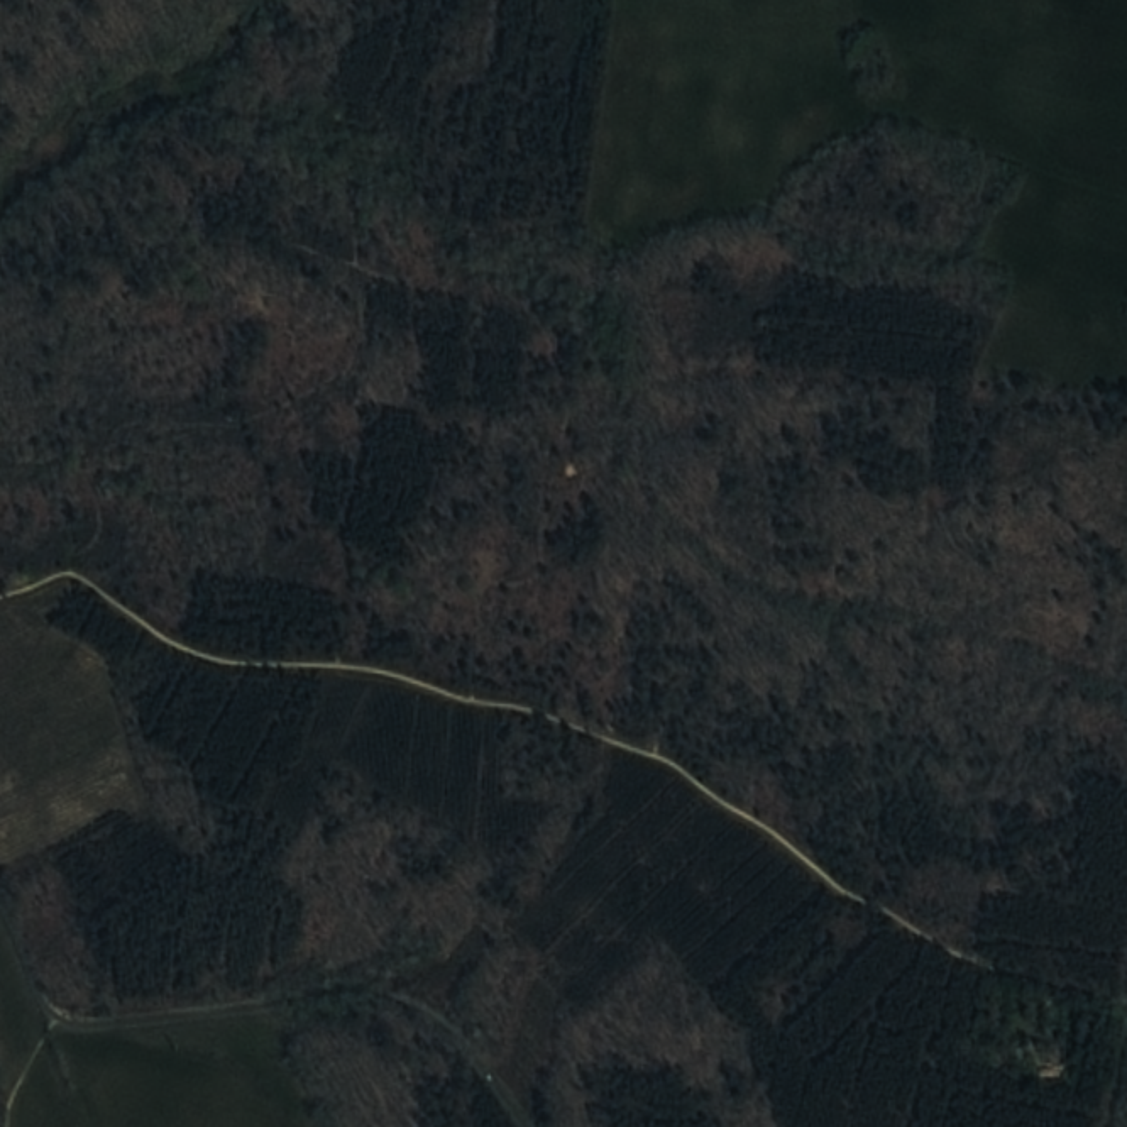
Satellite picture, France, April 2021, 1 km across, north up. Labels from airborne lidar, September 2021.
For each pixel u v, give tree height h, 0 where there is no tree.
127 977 13
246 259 12
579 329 16
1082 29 0
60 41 22
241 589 16
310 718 13
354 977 17
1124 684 11
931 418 12
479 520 24
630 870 7
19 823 0
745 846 6
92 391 7
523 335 15
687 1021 12
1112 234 0
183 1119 0
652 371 11
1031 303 0
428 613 16
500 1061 15
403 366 10
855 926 11
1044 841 21
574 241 18
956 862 16
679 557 20
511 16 16
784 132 0
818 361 13
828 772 13
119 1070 0
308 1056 23
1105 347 0
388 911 14
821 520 13
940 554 20
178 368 14
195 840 8
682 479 21
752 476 13
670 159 0
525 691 11
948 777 9
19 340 12
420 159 14
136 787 0
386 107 18
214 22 18
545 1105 20
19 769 0
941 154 18
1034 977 15
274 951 16
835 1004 15
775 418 15
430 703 6
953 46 0
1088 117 0
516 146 6
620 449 7
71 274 24
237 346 19
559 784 13
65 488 15
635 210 0
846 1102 18
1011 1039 12
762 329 7
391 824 13
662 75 0
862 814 19
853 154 7
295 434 9
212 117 22
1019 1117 18
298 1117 0
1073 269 0
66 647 0
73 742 0
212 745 13
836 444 23
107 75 24
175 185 11
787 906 7
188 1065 0
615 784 6
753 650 23
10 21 14
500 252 13
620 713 9
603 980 6
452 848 20
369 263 17
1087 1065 14
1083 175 0
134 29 23
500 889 13
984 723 9
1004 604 8
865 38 17
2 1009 0
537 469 8
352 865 19
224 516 16
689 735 12
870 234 10
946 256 10
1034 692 11
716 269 6
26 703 0
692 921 7
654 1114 20
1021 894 19
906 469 23
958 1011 18
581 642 10
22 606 0
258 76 20
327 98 11
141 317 9
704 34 0
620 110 0
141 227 26
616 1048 15
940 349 10
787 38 0
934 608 16
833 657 13
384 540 16
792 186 16
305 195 17
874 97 11
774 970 16
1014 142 0
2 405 12
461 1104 22
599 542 23
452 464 11
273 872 13
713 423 7
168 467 11
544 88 12
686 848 6
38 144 14
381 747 7
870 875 20
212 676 11
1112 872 20
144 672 9
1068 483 12
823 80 0
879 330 12
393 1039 27
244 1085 0
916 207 10
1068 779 10
